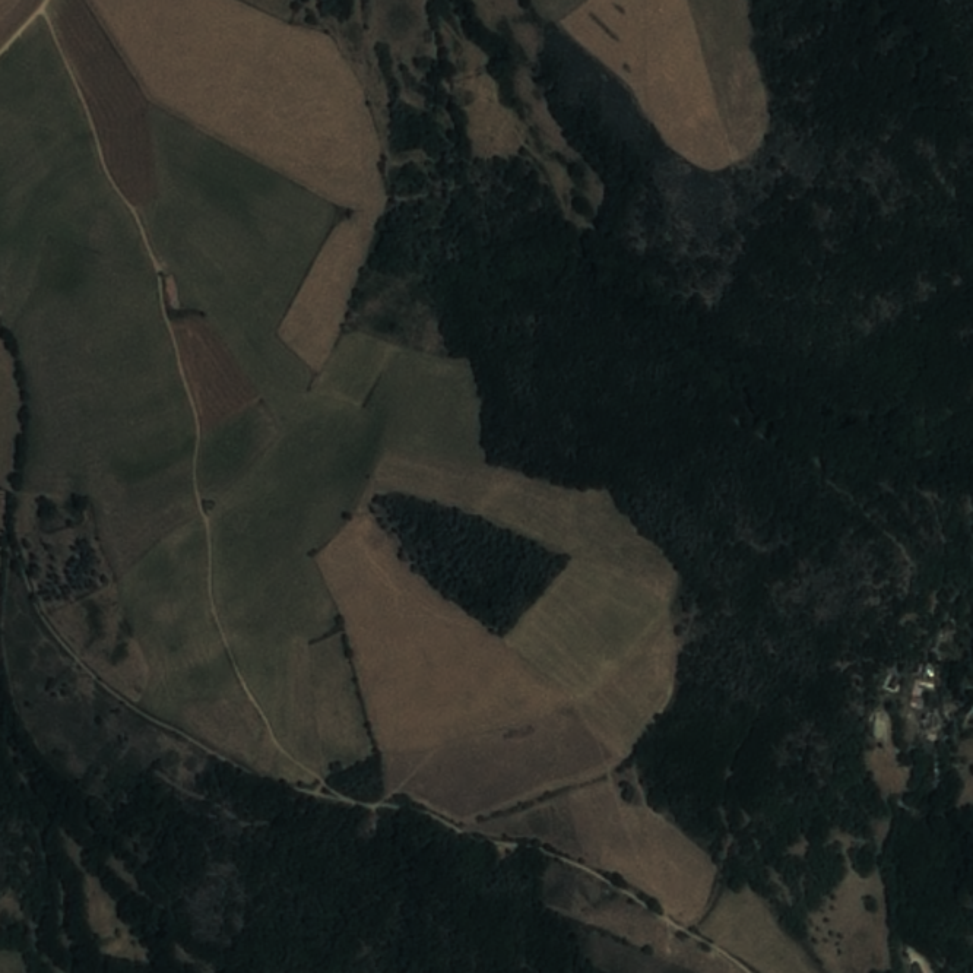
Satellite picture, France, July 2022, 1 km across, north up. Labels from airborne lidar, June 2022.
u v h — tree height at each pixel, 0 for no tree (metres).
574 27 0
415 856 16
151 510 0
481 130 0
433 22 10
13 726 20
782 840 13
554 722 0
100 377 0
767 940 0
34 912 12
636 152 8
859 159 9
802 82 15
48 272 0
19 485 13
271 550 0
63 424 0
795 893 8
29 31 0
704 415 17
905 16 21
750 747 11
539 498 0
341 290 0
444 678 0
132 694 0
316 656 0
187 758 0
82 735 0
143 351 0
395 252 14
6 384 0
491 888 16
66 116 0
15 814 15
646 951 11
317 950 9
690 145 0
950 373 16
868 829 13
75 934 21
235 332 0
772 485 14
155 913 17
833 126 16
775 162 11
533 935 19
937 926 12
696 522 14
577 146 16
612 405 14
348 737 0
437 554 16
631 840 0
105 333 0
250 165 0
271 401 0
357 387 0
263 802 13
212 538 0
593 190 0
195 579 0
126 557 0
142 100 0
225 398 0
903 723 18
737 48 0
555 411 13
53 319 0
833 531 12
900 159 9
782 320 8
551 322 14
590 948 0
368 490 0
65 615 0
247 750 0
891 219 9
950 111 13
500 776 0
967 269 13
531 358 13
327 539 0
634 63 0
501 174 9
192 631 0
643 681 0
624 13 0
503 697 0
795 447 15
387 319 0
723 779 8
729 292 11
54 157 0
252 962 13
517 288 17
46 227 0
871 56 19
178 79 0
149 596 0
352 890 12
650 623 0
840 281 10
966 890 16
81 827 13
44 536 0
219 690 0
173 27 0
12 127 0
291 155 0
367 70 0
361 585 0
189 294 0
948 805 16
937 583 13
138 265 0
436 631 0
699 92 0
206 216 0
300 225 0
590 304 17
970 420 16
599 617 0
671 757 8
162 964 25
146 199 0
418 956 16
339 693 0
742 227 10
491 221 10
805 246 11
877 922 0
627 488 15
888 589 7
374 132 0
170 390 0
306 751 0
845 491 6
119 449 0
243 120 0
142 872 8
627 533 0
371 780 11
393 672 0
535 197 10
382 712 0
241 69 0
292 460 0
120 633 0
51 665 0
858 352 12
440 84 12
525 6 13
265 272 0
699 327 18
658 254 8
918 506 6
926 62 15
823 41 11
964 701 11
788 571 8
